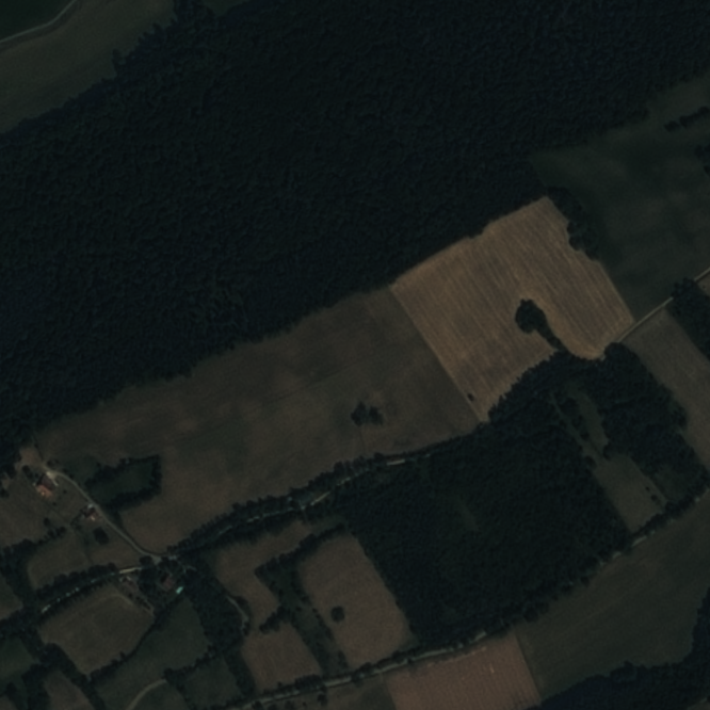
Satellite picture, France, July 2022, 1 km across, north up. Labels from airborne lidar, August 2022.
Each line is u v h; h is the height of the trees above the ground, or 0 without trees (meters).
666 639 0
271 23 27
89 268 24
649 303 0
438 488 7
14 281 28
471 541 8
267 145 26
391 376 0
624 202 0
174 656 0
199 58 32
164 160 25
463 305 0
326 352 0
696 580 0
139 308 22
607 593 0
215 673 0
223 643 20
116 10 0
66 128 20
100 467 8
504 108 29
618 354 17
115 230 23
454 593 9
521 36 28
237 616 16
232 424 0
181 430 0
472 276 0
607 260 0
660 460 19
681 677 12
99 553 0
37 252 19
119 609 0
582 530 6
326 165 29
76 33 0
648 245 0
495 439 7
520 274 0
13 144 18
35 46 0
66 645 0
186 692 13
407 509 10
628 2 22
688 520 0
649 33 26
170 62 28
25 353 26
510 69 27
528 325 10
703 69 12
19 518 0
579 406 11
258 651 0
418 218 25
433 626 12
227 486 0
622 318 0
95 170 22
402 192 23
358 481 10
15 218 23
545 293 0
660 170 0
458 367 0
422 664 0
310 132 30
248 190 30
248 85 32
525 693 0
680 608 0
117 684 0
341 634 0
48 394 21
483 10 25
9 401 19
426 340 0
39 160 25
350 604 0
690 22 27
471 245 0
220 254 26
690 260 0
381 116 29
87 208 25
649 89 19
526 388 17
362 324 0
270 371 0
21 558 21
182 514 0
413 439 0
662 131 0
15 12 0
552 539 11
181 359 23
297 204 29
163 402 0
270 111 31
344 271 12
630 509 0
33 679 16
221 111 32
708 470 17
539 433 13
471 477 9
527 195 17
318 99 28
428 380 0
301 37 30
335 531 7
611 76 29
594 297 0
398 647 0
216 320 15
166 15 0
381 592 0
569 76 22
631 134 0
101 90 12
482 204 14
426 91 29
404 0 24
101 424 0
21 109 0
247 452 0
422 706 0
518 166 21
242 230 26
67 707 0
